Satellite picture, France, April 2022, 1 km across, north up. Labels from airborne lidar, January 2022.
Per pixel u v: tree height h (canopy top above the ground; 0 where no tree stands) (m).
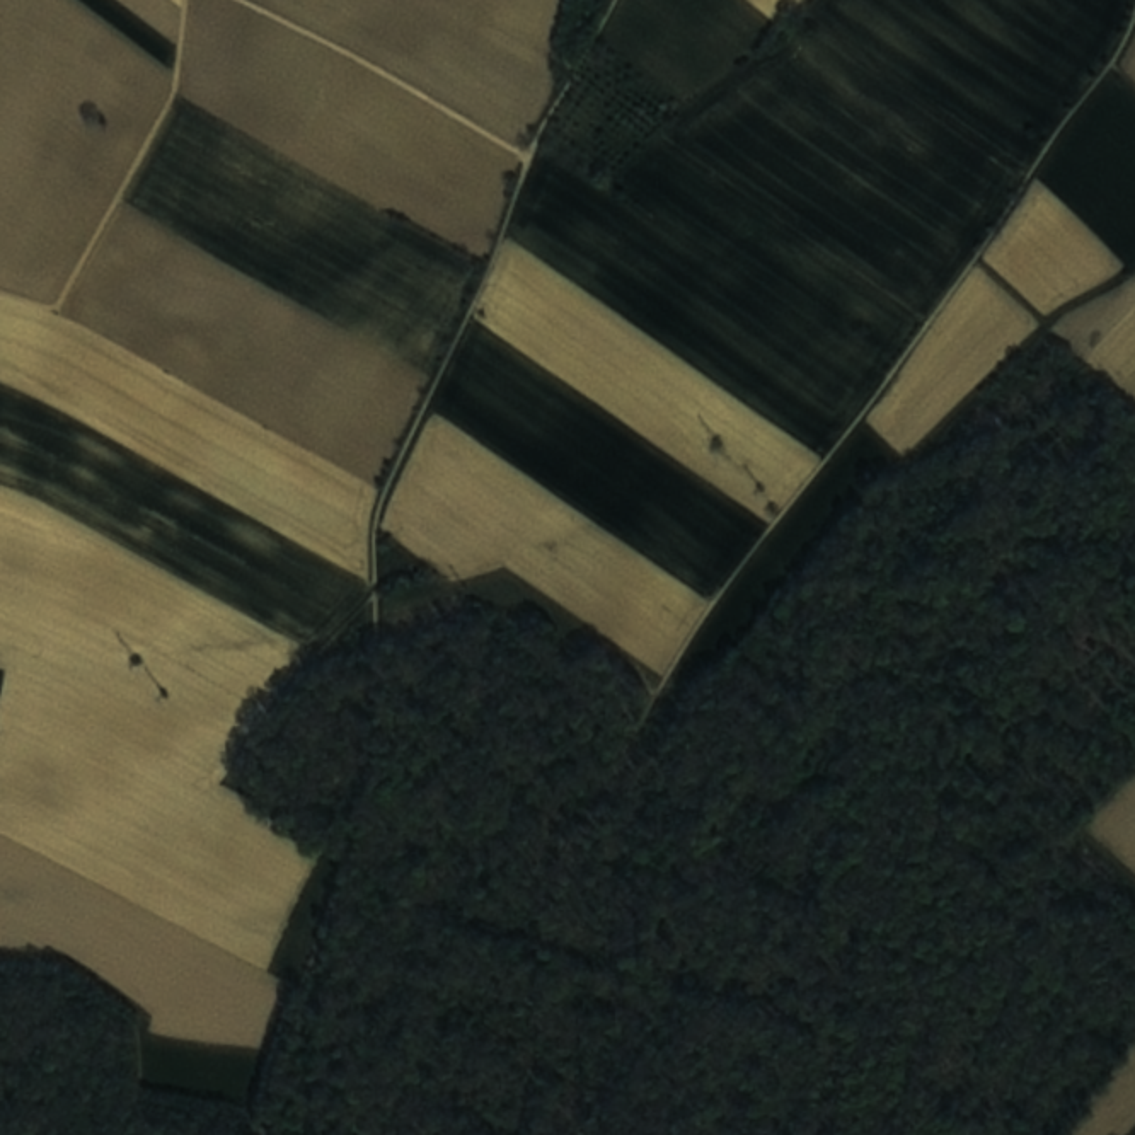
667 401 0
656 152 0
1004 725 20
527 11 0
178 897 0
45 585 0
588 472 0
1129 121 0
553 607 0
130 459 0
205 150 0
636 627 0
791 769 30
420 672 34
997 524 29
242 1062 0
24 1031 34
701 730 29
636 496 0
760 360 0
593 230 0
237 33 0
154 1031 0
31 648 0
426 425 0
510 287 0
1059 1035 36
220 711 0
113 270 0
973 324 0
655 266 0
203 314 0
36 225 0
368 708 8
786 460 0
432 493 0
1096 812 22
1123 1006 31
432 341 0
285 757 34
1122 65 0
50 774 0
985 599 35
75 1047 36
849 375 0
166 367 0
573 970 35
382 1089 34
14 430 0
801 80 0
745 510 0
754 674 28
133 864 0
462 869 32
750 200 0
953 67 0
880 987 30
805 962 38
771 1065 35
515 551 0
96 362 0
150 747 0
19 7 0
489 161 0
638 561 0
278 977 0
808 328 0
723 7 0
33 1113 36
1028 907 35
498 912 27
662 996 35
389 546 7
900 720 36
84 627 0
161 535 0
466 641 35
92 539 0
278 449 0
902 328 0
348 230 0
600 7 14
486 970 34
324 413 0
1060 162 0
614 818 36
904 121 0
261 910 0
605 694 34
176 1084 0
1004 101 0
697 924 33
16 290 0
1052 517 34
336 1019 31
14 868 0
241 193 0
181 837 0
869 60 0
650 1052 31
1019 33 0
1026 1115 29
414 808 37
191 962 0
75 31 0
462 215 0
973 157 0
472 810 38
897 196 0
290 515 0
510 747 40
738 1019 36
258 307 0
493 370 0
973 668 34
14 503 0
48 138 0
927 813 36
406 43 0
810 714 29
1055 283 0
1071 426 35
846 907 35
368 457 0
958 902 31
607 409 0
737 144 0
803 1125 31
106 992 16
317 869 0
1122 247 0
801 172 0
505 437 0
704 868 33
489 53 0
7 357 0
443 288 0
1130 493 33
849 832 36
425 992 33
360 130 0
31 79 0
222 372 0
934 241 0
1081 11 0
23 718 0
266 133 0
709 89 0
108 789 0
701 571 0
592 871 34
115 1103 33
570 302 0
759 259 0
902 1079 37
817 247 0
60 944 0
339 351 0
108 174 0
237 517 0
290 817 30
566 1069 11
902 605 26
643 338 0
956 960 36
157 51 0
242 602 0
